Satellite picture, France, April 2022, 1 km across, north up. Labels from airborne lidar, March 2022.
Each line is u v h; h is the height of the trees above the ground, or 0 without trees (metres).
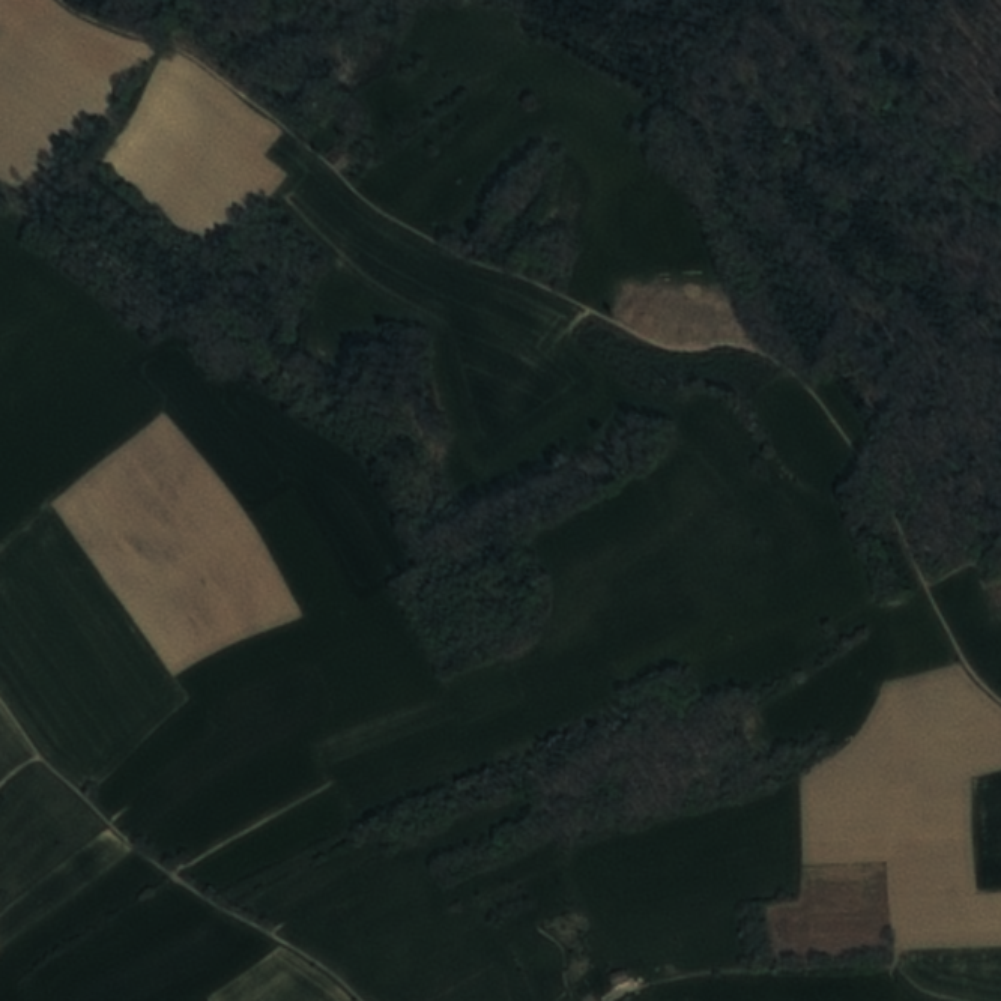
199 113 0
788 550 0
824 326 20
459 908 9
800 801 0
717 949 0
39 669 0
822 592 0
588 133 0
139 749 0
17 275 0
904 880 0
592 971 0
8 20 0
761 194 35
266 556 0
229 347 30
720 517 0
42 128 0
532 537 22
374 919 0
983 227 29
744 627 0
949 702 0
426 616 15
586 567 0
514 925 0
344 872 0
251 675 0
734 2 28
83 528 0
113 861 0
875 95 33
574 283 0
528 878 0
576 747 22
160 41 27
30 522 0
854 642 13
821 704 0
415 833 26
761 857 0
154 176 0
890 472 31
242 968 0
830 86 29
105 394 0
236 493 0
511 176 16
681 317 0
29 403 0
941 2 25
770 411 0
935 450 31
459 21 0
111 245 29
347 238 0
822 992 0
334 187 0
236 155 0
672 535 0
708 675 0
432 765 0
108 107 0
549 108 0
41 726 0
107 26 24
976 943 0
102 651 0
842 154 27
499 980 0
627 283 0
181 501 0
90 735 0
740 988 0
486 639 23
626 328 0
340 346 0
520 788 17
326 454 0
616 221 0
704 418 0
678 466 0
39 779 0
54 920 0
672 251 0
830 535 0
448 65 0
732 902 0
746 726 23
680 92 20
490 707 0
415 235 0
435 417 18
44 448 0
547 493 32
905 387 34
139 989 0
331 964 0
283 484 0
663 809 28
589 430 0
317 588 0
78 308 0
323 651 0
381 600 0
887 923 0
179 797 0
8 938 0
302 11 21
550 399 0
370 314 0
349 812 0
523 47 0
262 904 0
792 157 10
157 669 0
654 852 0
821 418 0
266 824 0
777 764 20
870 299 32
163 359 0
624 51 20
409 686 0
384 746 0
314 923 0
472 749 0
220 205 0
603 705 0
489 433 0
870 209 21
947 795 0
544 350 0
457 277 0
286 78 25
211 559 0
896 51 30
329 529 0
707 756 32
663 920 0
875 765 0
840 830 0
